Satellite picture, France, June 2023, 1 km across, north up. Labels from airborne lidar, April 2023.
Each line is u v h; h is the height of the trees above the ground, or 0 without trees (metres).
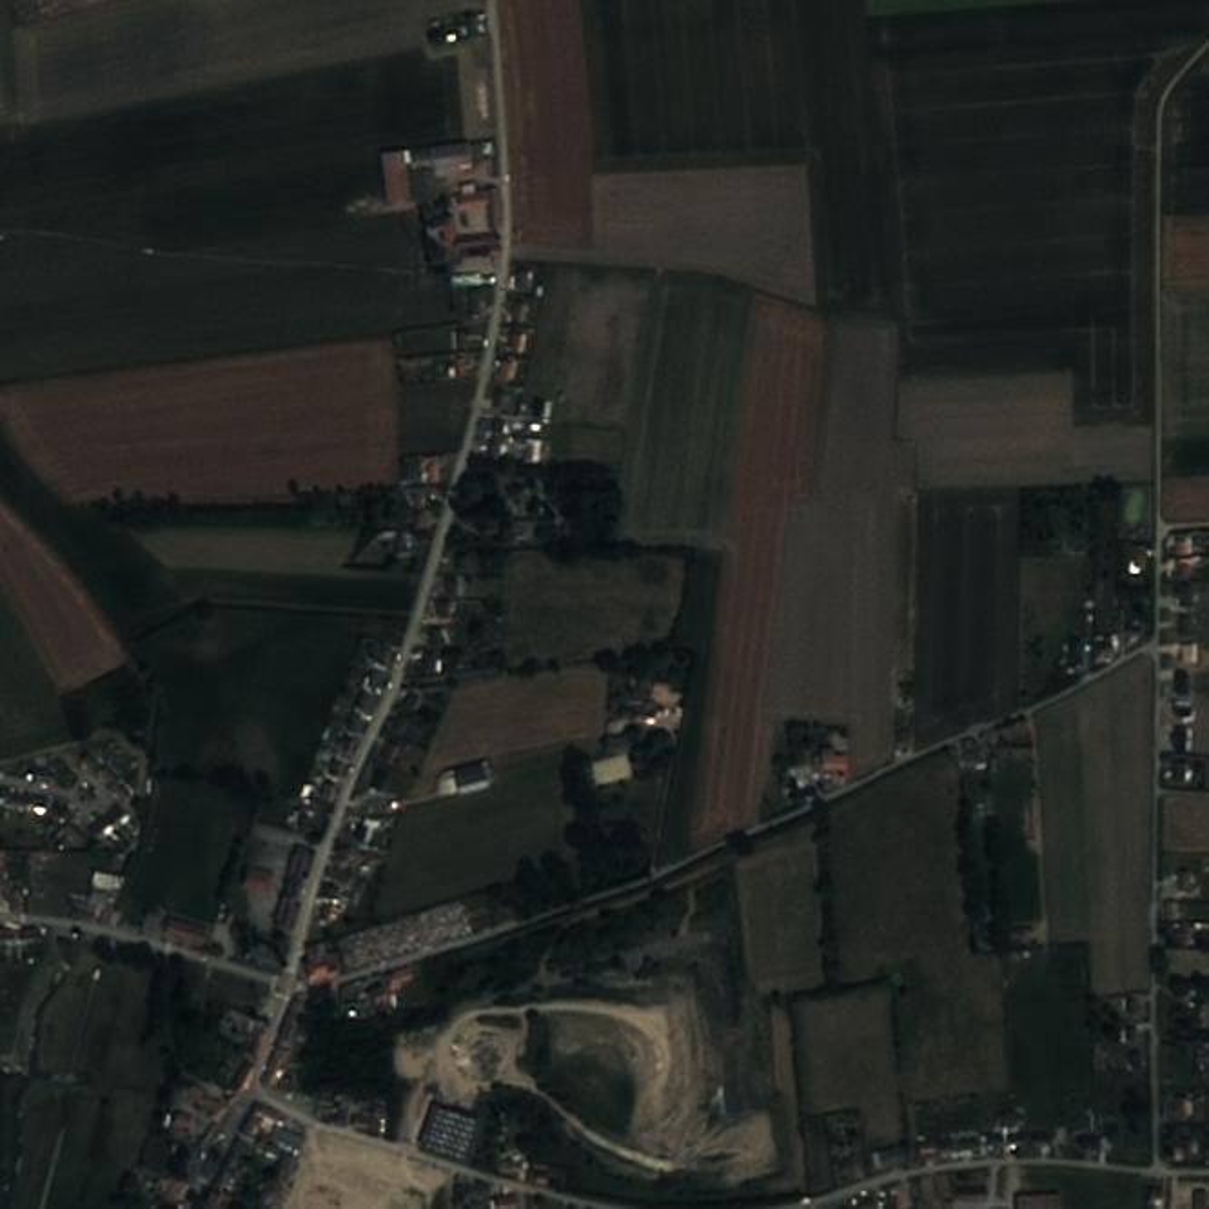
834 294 0
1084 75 0
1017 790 0
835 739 0
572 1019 0
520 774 0
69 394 0
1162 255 0
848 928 0
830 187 0
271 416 0
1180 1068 0
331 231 0
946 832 0
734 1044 0
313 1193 0
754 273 0
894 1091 0
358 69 0
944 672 0
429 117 0
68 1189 0
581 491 22
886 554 0
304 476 0
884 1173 0
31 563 0
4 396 0
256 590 0
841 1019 0
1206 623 0
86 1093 0
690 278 0
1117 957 0
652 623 0
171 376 0
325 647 0
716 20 0
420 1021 14
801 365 0
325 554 0
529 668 9
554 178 0
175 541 0
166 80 0
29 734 0
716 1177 0
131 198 0
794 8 0
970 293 0
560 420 0
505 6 0
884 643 0
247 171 0
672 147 0
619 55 0
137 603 0
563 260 0
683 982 0
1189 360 0
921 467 0
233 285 0
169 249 0
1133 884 0
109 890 0
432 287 0
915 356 0
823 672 0
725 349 0
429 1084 0
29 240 0
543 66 0
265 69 0
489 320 0
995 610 0
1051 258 0
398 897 0
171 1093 8
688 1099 0
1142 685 0
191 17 0
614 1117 0
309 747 0
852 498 0
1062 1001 0
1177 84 0
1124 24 0
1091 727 0
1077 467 0
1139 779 0
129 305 0
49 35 0
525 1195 0
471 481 16
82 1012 0
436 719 8
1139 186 0
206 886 0
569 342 0
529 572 0
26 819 0
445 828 0
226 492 0
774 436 0
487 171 0
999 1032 0
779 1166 0
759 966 0
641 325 0
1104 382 0
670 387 0
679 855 0
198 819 0
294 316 0
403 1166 0
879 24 0
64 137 0
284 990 0
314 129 0
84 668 0
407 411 0
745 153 0
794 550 0
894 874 0
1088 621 0
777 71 0
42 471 0
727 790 0
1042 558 0
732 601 0
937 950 0
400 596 0
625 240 0
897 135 0
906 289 0
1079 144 0
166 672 0
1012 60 0
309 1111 0
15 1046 0
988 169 0
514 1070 0
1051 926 0
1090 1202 0
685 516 0
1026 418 0
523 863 0
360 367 0
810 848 0
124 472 0
